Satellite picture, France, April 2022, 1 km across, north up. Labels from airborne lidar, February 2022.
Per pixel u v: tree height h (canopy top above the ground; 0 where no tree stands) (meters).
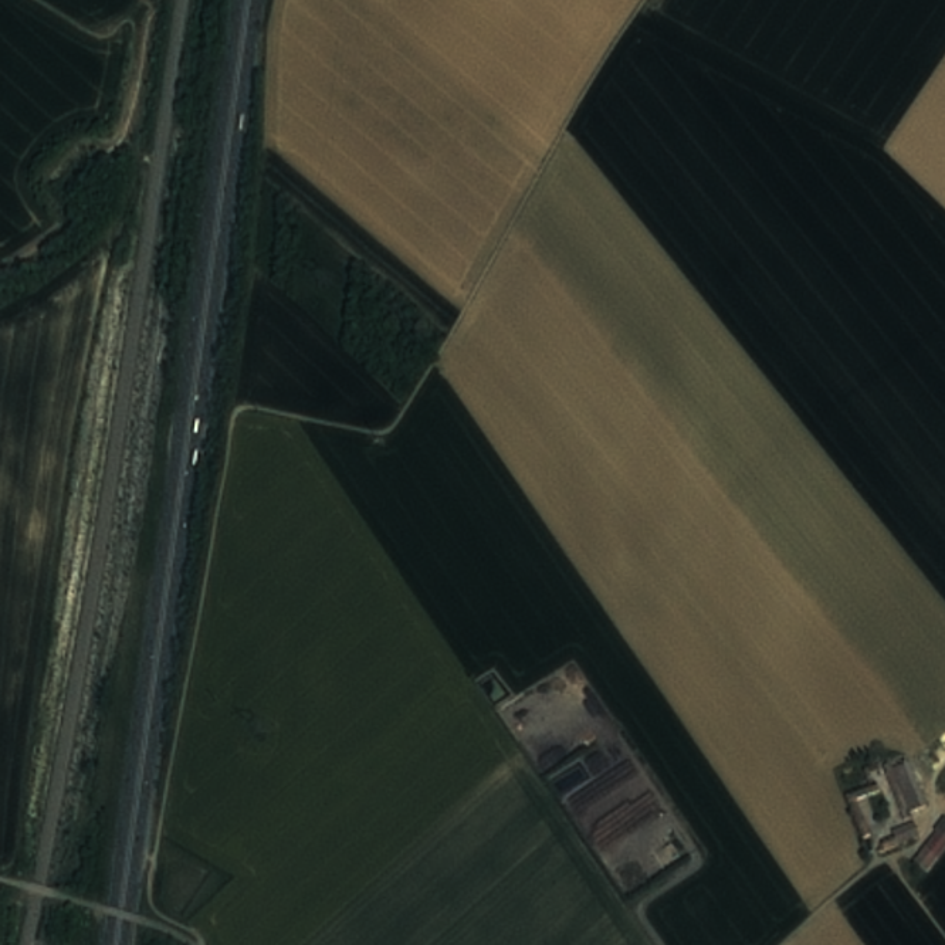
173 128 0
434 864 0
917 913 0
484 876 0
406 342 16
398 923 0
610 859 0
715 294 0
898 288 0
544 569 0
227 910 0
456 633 0
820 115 0
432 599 0
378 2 0
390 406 0
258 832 0
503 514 0
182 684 11
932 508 0
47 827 0
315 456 0
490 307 0
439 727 0
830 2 0
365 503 0
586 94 0
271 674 0
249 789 0
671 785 0
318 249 0
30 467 0
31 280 20
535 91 0
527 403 0
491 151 0
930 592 0
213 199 0
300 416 0
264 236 0
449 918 0
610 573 0
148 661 0
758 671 0
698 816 0
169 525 0
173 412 0
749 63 0
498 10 0
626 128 0
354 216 0
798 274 0
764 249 0
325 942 0
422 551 0
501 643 0
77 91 0
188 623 13
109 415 0
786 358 0
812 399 0
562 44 0
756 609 0
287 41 0
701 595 0
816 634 0
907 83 0
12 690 0
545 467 0
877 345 0
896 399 0
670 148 0
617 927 0
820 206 0
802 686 0
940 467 0
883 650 0
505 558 0
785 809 0
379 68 0
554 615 0
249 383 0
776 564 0
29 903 0
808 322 0
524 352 0
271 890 0
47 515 0
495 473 0
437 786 0
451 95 0
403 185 0
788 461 0
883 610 0
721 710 0
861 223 0
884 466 0
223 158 0
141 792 0
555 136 0
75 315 0
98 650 0
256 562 0
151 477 0
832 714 0
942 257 0
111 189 18
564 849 0
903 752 0
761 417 0
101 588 0
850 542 0
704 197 0
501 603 0
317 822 0
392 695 0
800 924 0
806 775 0
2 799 0
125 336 0
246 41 0
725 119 0
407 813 0
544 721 0
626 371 0
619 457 0
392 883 0
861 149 0
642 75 0
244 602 0
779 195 0
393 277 0
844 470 0
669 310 0
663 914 0
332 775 0
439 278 0
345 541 0
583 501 0
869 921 0
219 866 0
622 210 0
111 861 0
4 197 0
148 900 0
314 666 0
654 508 0
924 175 0
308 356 0
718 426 0
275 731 0
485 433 0
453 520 0
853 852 0
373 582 0
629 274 0
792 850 0
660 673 0
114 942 0
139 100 0
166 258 10
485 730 0
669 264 0
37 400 0
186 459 0
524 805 0
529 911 0
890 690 0
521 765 0
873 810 0
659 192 0
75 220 15
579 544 0
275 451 0
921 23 0
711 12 0
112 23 0
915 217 0
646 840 0
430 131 0
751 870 0
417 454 0
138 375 0
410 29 0
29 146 0
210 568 0
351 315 11
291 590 0
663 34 0
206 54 15
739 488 0
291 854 0
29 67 0
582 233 0
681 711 0
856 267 0
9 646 0
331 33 0
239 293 14
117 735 0
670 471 0
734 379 0
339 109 0
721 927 0
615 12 0
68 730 0
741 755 0
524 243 0
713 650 0
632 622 0
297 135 0
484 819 0
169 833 0
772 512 0
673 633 0
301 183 0
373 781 0
